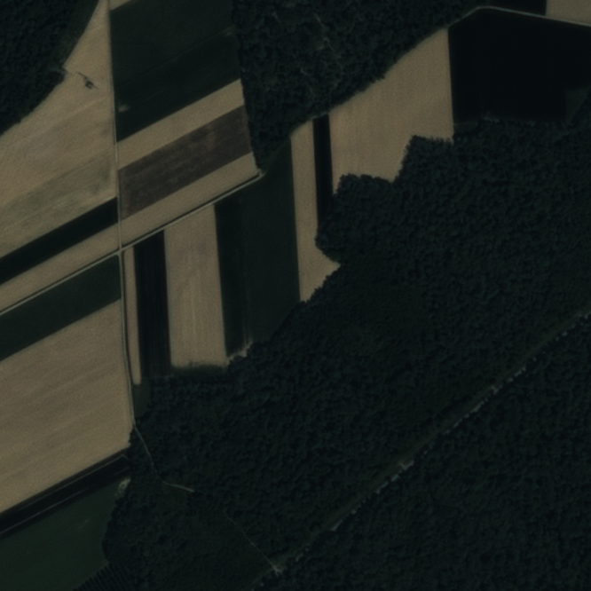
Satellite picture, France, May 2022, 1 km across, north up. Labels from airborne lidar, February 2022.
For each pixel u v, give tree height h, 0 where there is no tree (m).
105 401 0
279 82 26
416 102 0
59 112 0
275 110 29
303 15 31
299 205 0
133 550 25
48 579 0
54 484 0
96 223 0
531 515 21
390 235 23
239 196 0
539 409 26
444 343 29
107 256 0
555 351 25
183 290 0
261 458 25
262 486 25
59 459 0
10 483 0
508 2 0
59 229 0
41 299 0
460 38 0
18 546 0
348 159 0
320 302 16
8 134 0
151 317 0
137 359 0
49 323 0
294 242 0
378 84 0
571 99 0
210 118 0
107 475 0
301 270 0
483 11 0
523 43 0
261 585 0
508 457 23
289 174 0
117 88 0
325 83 24
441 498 29
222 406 28
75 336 0
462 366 20
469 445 31
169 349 0
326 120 0
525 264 27
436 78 0
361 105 0
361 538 29
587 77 0
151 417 12
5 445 0
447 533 9
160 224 0
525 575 29
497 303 26
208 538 0
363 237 20
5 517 0
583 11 0
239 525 13
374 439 16
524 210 26
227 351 0
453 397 12
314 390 29
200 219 0
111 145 0
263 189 0
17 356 0
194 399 30
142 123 0
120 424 0
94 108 0
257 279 0
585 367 20
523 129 19
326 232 8
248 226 0
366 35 24
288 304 0
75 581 0
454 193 29
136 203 0
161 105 0
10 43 20
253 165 0
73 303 0
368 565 31
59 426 0
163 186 0
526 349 24
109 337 0
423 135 0
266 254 0
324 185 0
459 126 0
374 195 25
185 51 0
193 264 0
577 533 21
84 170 0
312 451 17
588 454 30
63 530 0
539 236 27
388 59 25
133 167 0
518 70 0
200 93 0
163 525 26
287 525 29
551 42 0
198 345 0
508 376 0
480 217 26
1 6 20
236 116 0
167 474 22
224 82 0
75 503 0
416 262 23
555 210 24
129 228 0
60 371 0
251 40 23
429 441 0
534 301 25
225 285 0
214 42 0
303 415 31
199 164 0
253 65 25
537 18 0
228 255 0
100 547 0
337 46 26
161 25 0
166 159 0
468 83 0
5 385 0
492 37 0
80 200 0
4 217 0
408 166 16
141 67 0
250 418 27
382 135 0
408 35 26
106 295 0
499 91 0
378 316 12
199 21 0
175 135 0
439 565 26
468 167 26
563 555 16
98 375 0
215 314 0
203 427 28
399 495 25
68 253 0
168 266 0
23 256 0
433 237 26
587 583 19
